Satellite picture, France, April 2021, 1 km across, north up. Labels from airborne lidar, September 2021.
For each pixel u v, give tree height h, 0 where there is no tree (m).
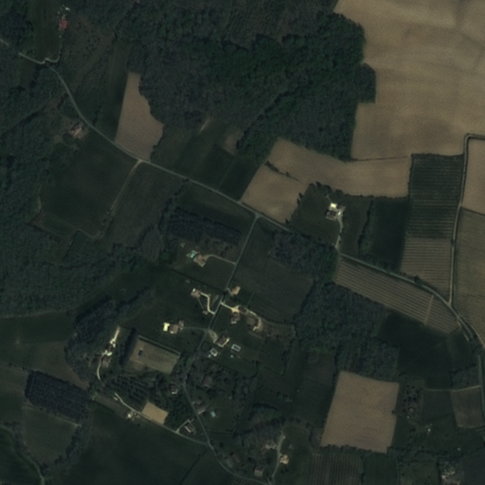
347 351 17
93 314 18
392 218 0
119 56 0
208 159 0
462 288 0
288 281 0
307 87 14
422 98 0
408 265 0
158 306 0
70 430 0
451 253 0
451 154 0
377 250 0
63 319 0
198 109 12
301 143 20
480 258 0
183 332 0
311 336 17
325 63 25
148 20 17
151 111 7
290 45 20
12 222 16
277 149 0
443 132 0
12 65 18
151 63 18
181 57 14
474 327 0
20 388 0
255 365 8
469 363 0
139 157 0
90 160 0
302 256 15
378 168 0
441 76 0
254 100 17
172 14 19
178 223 11
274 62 26
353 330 21
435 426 0
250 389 11
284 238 14
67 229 0
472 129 0
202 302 0
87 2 13
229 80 27
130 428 0
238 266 0
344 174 0
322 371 0
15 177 26
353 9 0
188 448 0
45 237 17
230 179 0
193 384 8
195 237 11
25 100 27
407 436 0
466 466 0
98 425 0
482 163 0
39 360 0
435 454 10
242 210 0
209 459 0
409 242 0
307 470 0
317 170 0
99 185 0
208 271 0
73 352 23
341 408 0
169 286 0
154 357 0
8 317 21
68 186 0
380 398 0
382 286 0
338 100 16
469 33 0
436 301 0
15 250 16
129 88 0
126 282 0
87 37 7
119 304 0
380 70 0
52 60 0
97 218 0
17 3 12
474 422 0
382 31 0
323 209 0
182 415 9
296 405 0
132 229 0
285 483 0
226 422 0
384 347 21
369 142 0
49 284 20
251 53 16
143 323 0
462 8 0
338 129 11
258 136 20
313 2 24
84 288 16
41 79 21
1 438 0
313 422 0
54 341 0
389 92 0
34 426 0
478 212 0
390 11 0
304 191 0
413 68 0
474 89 0
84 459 0
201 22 16
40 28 0
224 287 0
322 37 18
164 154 0
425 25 0
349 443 0
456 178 0
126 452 0
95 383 18
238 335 0
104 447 0
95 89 8
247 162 0
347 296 20
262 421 20
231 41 6
